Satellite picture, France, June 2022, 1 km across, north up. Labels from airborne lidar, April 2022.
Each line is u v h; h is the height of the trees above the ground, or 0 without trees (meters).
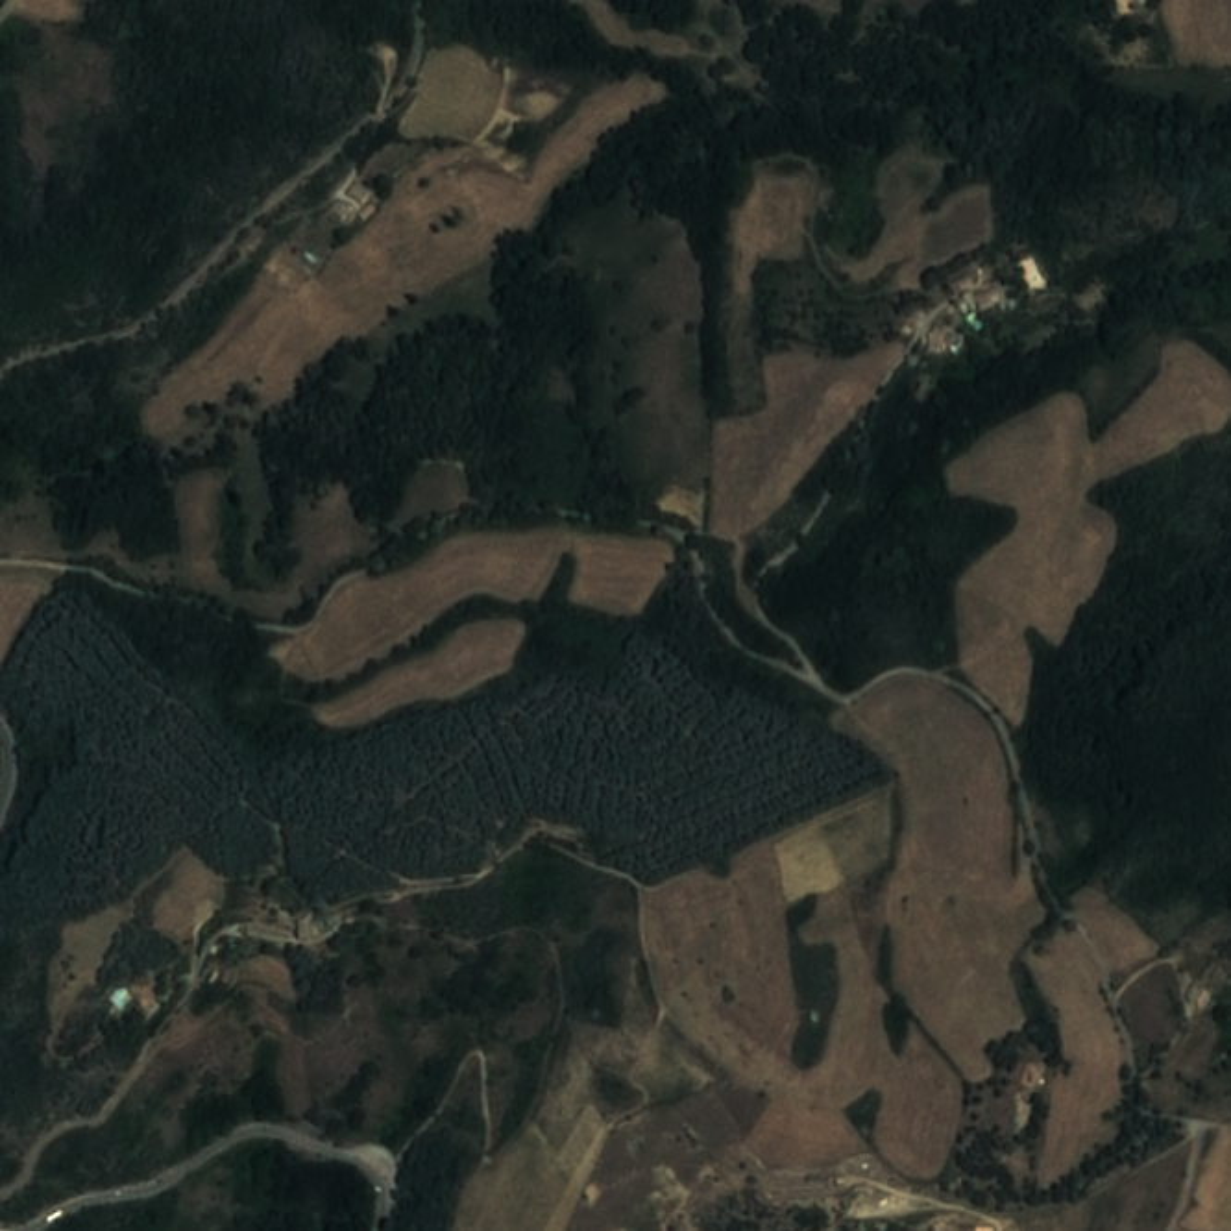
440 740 8
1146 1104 16
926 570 9
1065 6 11
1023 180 9
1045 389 6
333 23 9
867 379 0
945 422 18
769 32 10
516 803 11
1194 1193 0
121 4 13
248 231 9
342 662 0
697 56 0
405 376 13
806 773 12
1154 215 0
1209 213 10
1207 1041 0
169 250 11
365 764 10
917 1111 0
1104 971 0
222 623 8
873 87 14
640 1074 0
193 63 9
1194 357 0
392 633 0
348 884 12
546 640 12
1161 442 0
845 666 6
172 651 12
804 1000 0
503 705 11
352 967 0
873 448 10
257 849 10
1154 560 12
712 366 13
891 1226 7
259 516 0
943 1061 0
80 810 10
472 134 0
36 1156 0
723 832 11
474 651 0
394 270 0
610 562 0
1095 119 13
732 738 14
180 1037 0
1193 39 0
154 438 15
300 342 0
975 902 0
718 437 0
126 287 7
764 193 0
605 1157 0
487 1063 0
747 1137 0
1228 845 6
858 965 0
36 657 14
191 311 7
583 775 13
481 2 7
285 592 0
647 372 0
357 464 12
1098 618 12
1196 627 15
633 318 0
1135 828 8
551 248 18
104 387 8
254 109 7
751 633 7
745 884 0
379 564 11
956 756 0
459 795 9
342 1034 0
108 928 0
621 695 13
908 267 0
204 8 15
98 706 9
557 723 11
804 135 24
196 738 11
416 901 6
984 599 0
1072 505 0
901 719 0
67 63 0
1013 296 6
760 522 0
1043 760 14
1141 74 0
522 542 0
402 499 7
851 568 9
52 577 0
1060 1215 0
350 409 13
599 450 12
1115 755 14
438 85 0
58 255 10
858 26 12
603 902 0
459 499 0
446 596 0
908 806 0
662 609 8
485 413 11
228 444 21
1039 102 12
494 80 0
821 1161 0
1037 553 0
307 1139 0
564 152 0
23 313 10
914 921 0
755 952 0
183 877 0
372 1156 0
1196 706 12
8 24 0
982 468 0
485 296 0
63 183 8
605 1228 0
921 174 0
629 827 10
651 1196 0
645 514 14
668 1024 0
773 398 0
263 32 9
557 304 14
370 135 10
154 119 8
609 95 0
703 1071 0
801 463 0
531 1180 0
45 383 12
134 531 10
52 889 13
